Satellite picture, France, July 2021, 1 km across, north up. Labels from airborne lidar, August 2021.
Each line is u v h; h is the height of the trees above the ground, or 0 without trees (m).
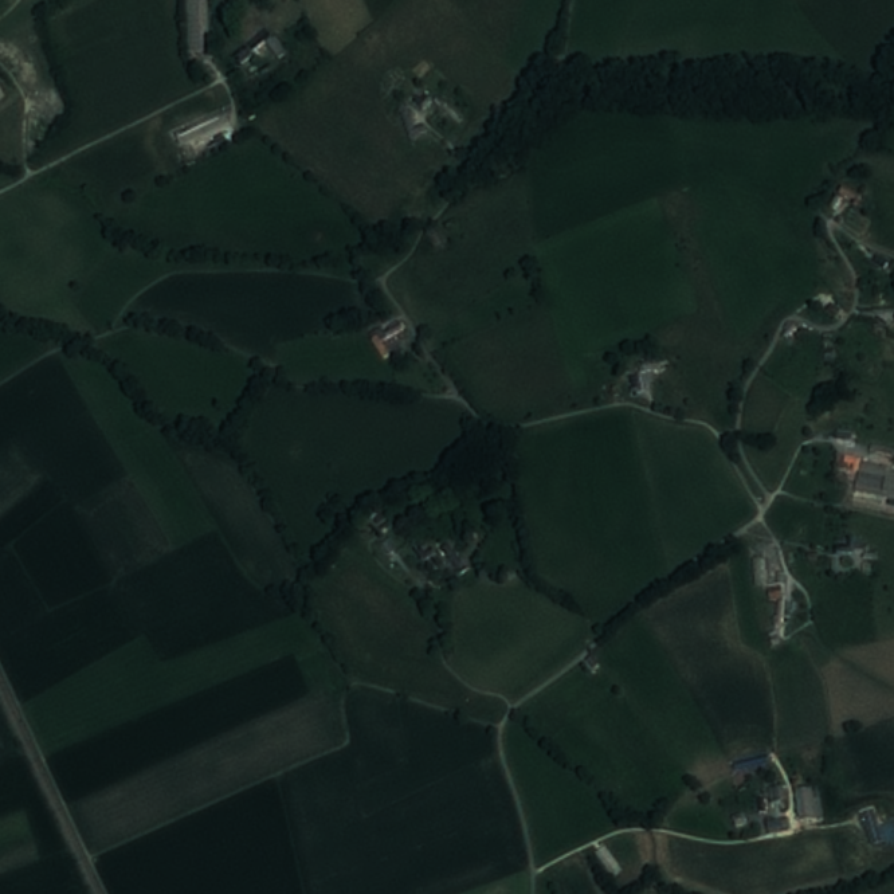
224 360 0
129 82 0
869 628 0
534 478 0
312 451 0
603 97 30
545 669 0
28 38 0
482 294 0
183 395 0
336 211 0
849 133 0
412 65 0
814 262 0
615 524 0
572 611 15
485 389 0
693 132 0
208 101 0
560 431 0
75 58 0
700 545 0
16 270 0
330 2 0
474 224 0
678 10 0
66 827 0
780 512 0
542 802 0
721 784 0
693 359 0
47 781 0
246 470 16
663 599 18
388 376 0
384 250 16
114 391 0
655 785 0
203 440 27
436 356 6
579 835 0
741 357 0
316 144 0
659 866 6
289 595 16
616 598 0
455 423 0
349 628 0
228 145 14
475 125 0
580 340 0
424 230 13
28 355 0
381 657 0
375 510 21
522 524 22
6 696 0
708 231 0
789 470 0
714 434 0
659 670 0
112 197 0
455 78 0
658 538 0
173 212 0
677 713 0
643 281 0
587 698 0
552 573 0
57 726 0
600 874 14
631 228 0
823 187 6
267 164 0
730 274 0
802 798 0
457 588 20
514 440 20
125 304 0
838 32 0
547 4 0
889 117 9
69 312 0
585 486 0
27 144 0
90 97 0
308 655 0
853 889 19
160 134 0
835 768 0
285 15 0
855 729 16
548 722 0
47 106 0
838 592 0
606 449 0
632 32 0
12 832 0
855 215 0
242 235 0
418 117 0
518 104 22
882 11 0
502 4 0
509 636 0
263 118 0
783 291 0
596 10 0
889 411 0
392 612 0
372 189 0
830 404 24
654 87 35
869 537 0
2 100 0
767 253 0
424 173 0
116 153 0
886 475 0
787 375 0
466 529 17
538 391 0
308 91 0
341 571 0
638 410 0
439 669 0
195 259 24
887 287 6
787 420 0
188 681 0
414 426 0
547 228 0
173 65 0
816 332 0
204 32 0
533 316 0
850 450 0
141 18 0
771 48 0
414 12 0
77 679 0
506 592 0
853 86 32
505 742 0
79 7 0
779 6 0
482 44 0
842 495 0
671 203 0
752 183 0
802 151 0
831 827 0
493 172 30
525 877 0
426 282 0
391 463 0
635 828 15
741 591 0
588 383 0
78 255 0
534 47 0
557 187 0
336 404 0
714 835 0
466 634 0
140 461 0
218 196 0
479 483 22
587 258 0
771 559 0
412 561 10
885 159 0
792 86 36
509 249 0
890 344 0
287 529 18
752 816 0
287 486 0
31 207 0
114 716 0
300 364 0
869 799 0
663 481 0
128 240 26
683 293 0
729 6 0
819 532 0
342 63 0
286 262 23
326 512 14
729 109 30
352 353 0
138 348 0
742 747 0
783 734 0
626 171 0
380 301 22
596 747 0
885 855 0
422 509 19
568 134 0
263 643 0
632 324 0
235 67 6
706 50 0
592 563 0
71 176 0
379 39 0
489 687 0
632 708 0
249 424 15
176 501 0
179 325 18
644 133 0
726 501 0
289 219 0
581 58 23
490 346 0
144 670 0
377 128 0
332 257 19
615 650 0
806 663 0
